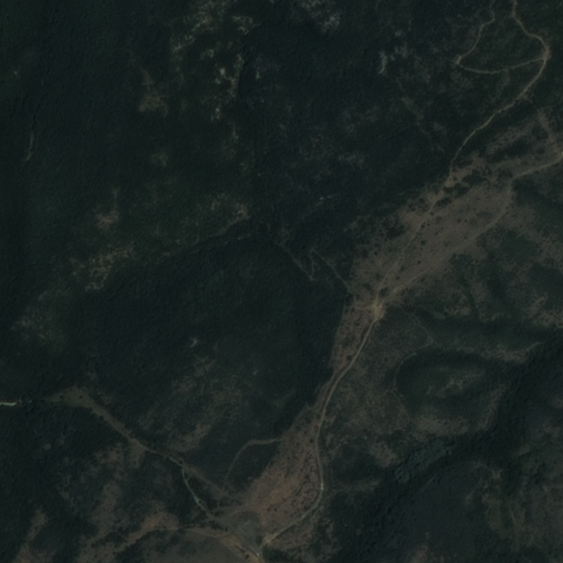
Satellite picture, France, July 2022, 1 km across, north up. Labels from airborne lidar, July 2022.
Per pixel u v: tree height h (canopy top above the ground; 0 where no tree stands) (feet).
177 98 26
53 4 39
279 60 21
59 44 35
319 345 19
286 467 0
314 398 20
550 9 27
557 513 0
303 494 0
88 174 27
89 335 19
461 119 17
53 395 21
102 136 24
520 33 22
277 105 25
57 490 25
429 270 0
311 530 0
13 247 42
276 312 18
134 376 22
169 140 22
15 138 33
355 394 0
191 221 19
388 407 0
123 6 20
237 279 20
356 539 54
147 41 25
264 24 34
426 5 22
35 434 25
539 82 20
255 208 27
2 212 24
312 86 18
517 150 20
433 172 19
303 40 20
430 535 0
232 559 0
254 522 0
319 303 23
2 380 26
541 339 20
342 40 24
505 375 19
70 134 36
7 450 30
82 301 35
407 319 0
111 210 19
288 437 0
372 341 0
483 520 21
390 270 0
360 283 0
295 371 19
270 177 28
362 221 17
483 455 24
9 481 32
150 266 35
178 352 22
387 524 58
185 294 28
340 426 0
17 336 26
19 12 42
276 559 24
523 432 20
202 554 0
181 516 20
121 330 19
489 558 24
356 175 24
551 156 0
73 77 44
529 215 0
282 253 25
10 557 21
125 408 20
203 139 30
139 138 22
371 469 23
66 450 26
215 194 18
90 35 33
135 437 20
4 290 36
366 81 17
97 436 25
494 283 24
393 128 22
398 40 19
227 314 18
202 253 35
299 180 19
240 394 0
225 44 21
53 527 21
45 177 18
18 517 28
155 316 27
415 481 52
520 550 20
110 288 32
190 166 35
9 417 25
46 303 19
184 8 23
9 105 44
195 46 34
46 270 22
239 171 26
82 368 29
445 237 0
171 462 21
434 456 70
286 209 26
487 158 20
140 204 22
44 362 44
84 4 27
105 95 24
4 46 41
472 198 0
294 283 25
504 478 24
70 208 21
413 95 22
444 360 28
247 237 34
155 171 31
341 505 18
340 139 24
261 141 24
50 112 39
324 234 26
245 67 29
